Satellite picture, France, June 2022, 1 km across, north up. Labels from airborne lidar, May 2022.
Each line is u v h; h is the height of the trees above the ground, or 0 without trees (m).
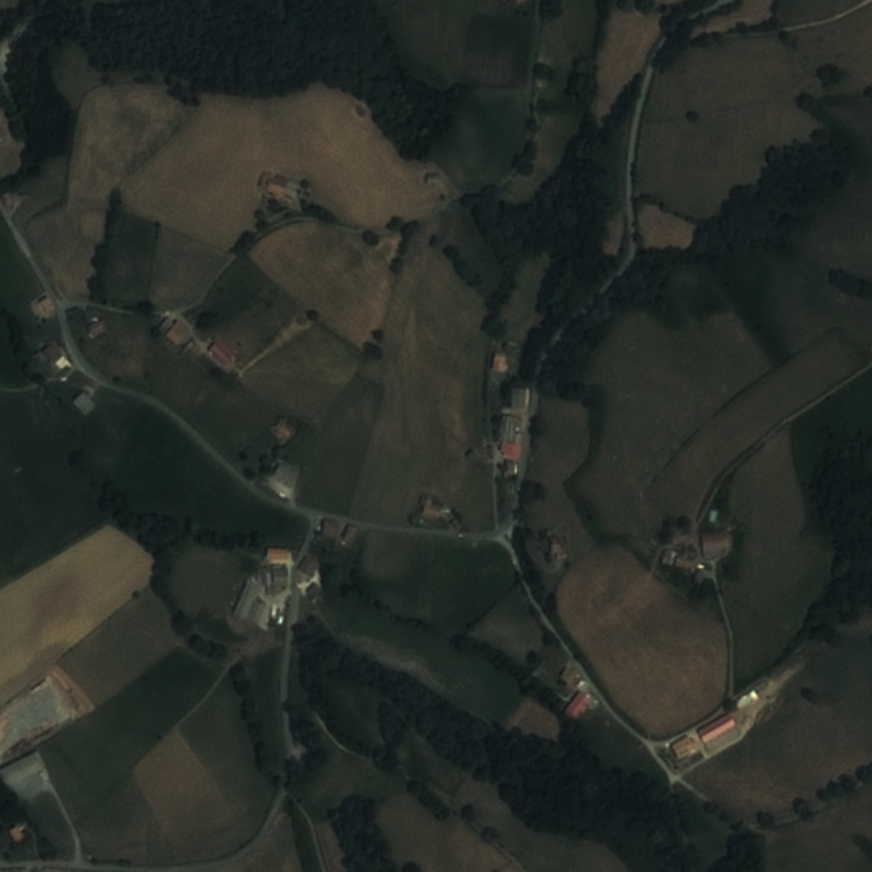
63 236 0
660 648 0
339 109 0
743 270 0
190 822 0
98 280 11
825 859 0
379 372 0
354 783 0
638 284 15
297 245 0
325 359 0
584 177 25
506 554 0
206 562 0
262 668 0
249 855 0
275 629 0
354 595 19
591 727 0
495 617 0
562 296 27
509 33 0
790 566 0
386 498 0
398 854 0
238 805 0
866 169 0
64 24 13
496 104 0
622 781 24
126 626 0
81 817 0
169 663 0
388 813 0
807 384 0
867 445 13
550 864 0
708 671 0
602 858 0
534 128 14
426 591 0
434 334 0
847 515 17
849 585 15
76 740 0
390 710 18
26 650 0
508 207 13
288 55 25
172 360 0
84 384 0
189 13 19
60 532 0
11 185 15
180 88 17
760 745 0
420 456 0
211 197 0
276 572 0
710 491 0
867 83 0
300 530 0
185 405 0
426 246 0
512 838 0
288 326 0
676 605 0
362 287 0
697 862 21
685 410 0
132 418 0
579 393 21
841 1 0
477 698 0
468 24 0
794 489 0
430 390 0
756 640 0
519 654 0
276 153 0
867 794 0
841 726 0
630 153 0
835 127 0
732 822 21
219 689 0
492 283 0
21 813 16
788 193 28
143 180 0
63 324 0
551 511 0
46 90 15
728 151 0
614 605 0
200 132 0
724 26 0
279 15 24
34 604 0
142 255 0
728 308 0
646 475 0
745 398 0
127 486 0
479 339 0
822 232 0
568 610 0
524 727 0
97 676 0
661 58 16
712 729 0
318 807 0
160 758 0
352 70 19
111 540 0
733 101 0
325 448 0
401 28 0
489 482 0
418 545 0
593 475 0
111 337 0
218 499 0
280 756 0
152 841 0
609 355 0
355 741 8
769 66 0
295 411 0
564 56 0
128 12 20
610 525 0
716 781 0
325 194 0
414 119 25
